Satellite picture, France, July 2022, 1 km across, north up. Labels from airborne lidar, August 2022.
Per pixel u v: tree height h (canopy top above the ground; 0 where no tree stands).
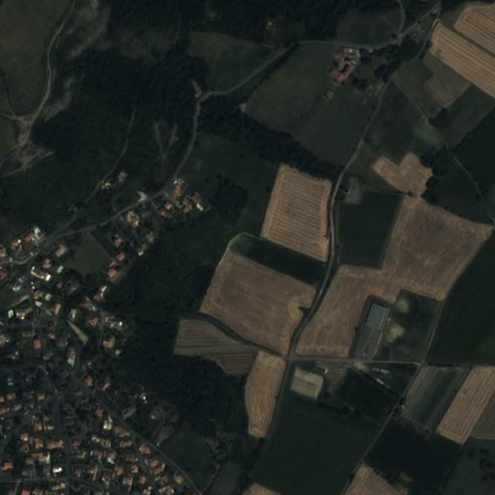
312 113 0
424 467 0
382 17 0
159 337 14
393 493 0
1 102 0
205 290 10
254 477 0
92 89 8
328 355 0
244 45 0
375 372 0
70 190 6
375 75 12
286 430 0
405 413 0
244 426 9
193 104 13
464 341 0
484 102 0
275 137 17
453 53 0
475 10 0
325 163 13
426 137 0
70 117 8
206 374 14
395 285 0
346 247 0
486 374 0
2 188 7
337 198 8
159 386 14
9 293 0
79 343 8
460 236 0
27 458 0
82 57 9
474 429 0
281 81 0
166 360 14
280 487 0
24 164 0
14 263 0
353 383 0
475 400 0
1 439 11
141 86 11
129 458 0
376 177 0
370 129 0
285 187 0
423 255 0
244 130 16
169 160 0
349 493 0
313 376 0
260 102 0
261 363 0
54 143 11
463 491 0
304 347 0
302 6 15
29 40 0
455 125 0
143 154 7
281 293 0
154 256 8
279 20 0
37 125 10
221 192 7
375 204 0
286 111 0
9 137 0
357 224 0
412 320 0
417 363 0
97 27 0
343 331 0
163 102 14
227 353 0
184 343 0
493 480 8
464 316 0
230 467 0
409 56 7
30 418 0
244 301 0
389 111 0
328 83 0
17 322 9
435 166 8
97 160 0
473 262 0
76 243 7
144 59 6
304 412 0
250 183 0
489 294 0
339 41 0
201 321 0
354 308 0
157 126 0
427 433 7
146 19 12
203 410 15
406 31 0
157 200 7
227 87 0
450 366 6
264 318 0
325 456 0
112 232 7
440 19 0
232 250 0
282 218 0
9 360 11
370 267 0
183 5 12
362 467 0
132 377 6
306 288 0
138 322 11
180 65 13
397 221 0
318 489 0
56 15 0
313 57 0
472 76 0
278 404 0
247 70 0
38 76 0
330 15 13
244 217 0
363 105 0
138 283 10
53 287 8
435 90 0
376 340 0
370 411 0
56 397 0
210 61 0
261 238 0
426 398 0
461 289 0
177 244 6
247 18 15
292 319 0
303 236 0
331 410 13
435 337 0
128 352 10
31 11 0
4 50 0
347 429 0
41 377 11
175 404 9
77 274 13
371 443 0
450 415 0
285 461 0
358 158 0
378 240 0
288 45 17
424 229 0
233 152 0
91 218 0
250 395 0
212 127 6
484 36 0
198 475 0
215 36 0
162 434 0
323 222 0
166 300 10
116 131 7
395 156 0
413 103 0
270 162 12
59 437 0
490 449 0
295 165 9
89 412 12
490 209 0
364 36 0
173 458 0
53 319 0
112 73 11
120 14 8
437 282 0
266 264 0
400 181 0
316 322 0
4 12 0
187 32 8
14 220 0
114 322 0
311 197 0
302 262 0
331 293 0
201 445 0
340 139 0
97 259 0
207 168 0
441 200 0
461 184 0
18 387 9
